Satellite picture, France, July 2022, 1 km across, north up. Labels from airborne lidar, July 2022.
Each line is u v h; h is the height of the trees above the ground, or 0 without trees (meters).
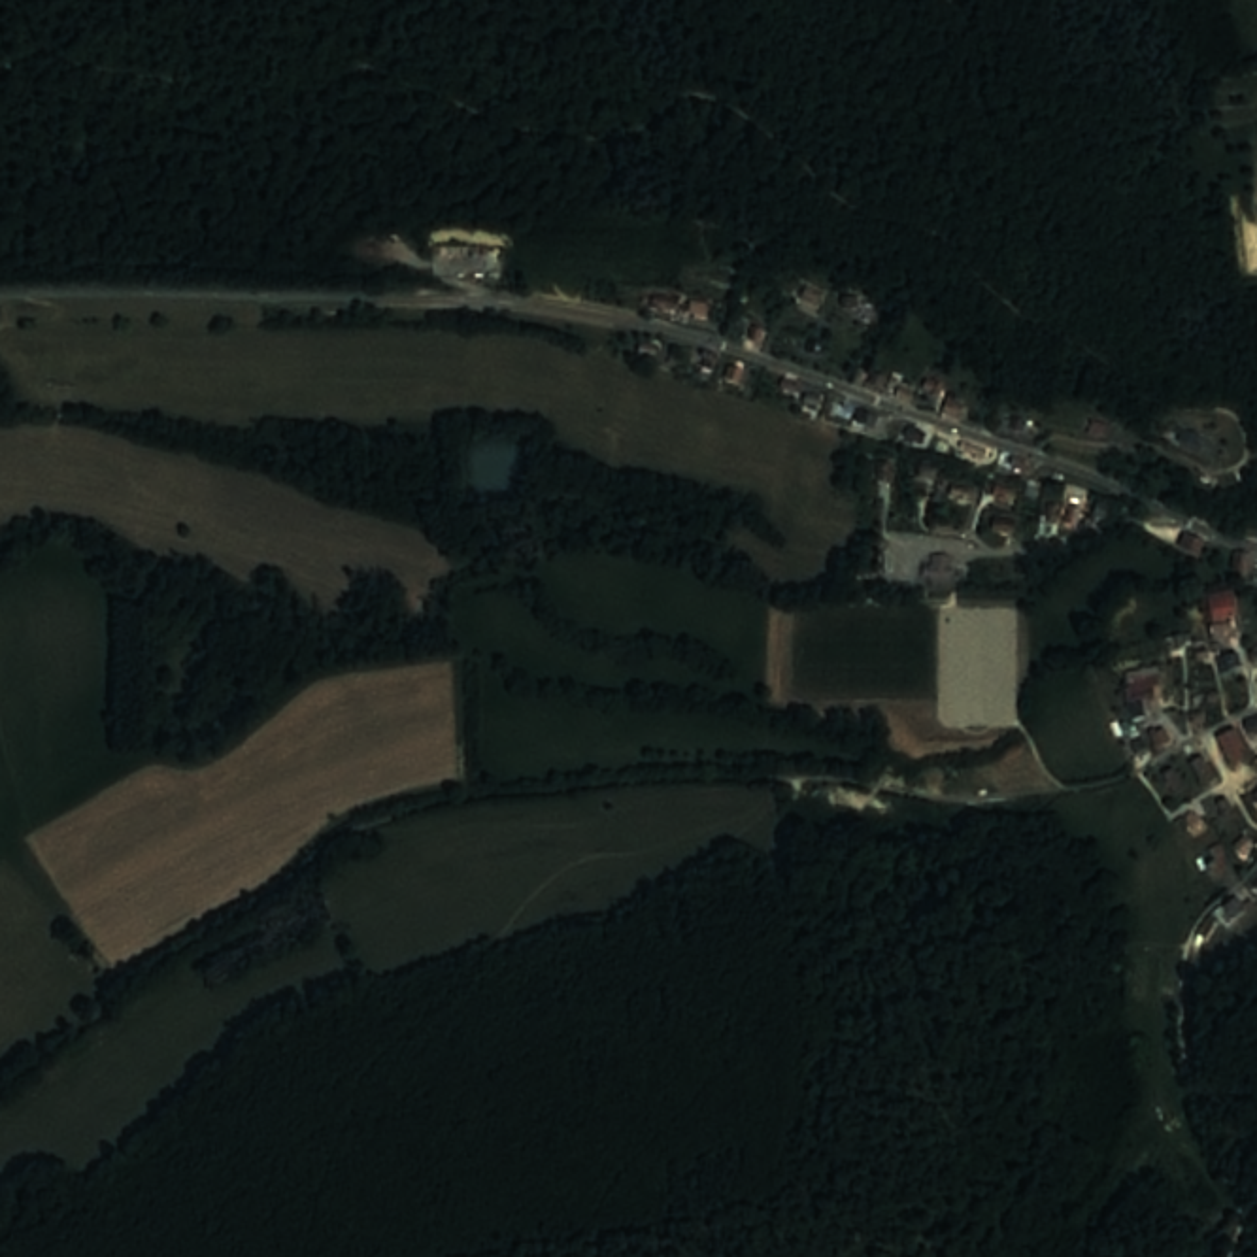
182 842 0
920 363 0
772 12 20
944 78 21
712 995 14
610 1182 11
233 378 0
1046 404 19
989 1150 11
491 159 31
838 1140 16
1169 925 0
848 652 0
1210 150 0
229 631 22
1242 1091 23
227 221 23
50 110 32
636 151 16
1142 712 0
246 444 7
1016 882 23
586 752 0
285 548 0
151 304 0
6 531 8
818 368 9
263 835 0
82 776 0
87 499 0
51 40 18
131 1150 15
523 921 0
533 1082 14
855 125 19
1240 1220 12
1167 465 17
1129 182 29
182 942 8
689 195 23
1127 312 17
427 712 0
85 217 25
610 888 0
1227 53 13
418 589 0
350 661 28
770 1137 10
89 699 0
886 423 0
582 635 8
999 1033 31
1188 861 0
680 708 15
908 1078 25
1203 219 22
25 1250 15
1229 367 22
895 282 29
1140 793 0
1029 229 19
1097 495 10
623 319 0
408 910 0
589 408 0
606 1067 17
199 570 15
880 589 17
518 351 0
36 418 6
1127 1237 21
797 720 17
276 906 28
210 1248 13
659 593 0
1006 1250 25
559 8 22
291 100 16
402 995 11
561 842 0
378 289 20
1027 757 0
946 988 25
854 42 10
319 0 31
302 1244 11
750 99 25
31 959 0
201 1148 11
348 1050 13
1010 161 18
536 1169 14
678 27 18
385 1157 13
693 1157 13
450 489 21
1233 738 0
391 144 24
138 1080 0
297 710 0
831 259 28
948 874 26
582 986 16
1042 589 22
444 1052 11
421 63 25
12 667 0
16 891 0
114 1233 13
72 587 0
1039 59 20
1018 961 25
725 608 0
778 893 19
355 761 0
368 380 0
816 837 22
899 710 0
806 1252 18
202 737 7
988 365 8
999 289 14
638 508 23
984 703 0
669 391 0
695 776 6
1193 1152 0
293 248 26
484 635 0
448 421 19
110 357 0
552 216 9
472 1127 13
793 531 0
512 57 25
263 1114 12
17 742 0
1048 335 15
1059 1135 31
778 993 14
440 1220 10
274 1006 18
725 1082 12
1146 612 0
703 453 0
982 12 22
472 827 0
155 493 0
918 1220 28
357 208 12
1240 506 14
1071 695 0
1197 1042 19
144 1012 0
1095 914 14
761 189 29
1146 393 17
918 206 16
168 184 29
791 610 12
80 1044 7
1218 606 0
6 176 12
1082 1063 7
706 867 17
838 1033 8
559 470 23
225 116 10
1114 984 13
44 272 16
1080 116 21
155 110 25
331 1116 12
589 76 18
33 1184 23
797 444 0
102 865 0
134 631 16
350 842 19
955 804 0
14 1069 18
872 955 24
